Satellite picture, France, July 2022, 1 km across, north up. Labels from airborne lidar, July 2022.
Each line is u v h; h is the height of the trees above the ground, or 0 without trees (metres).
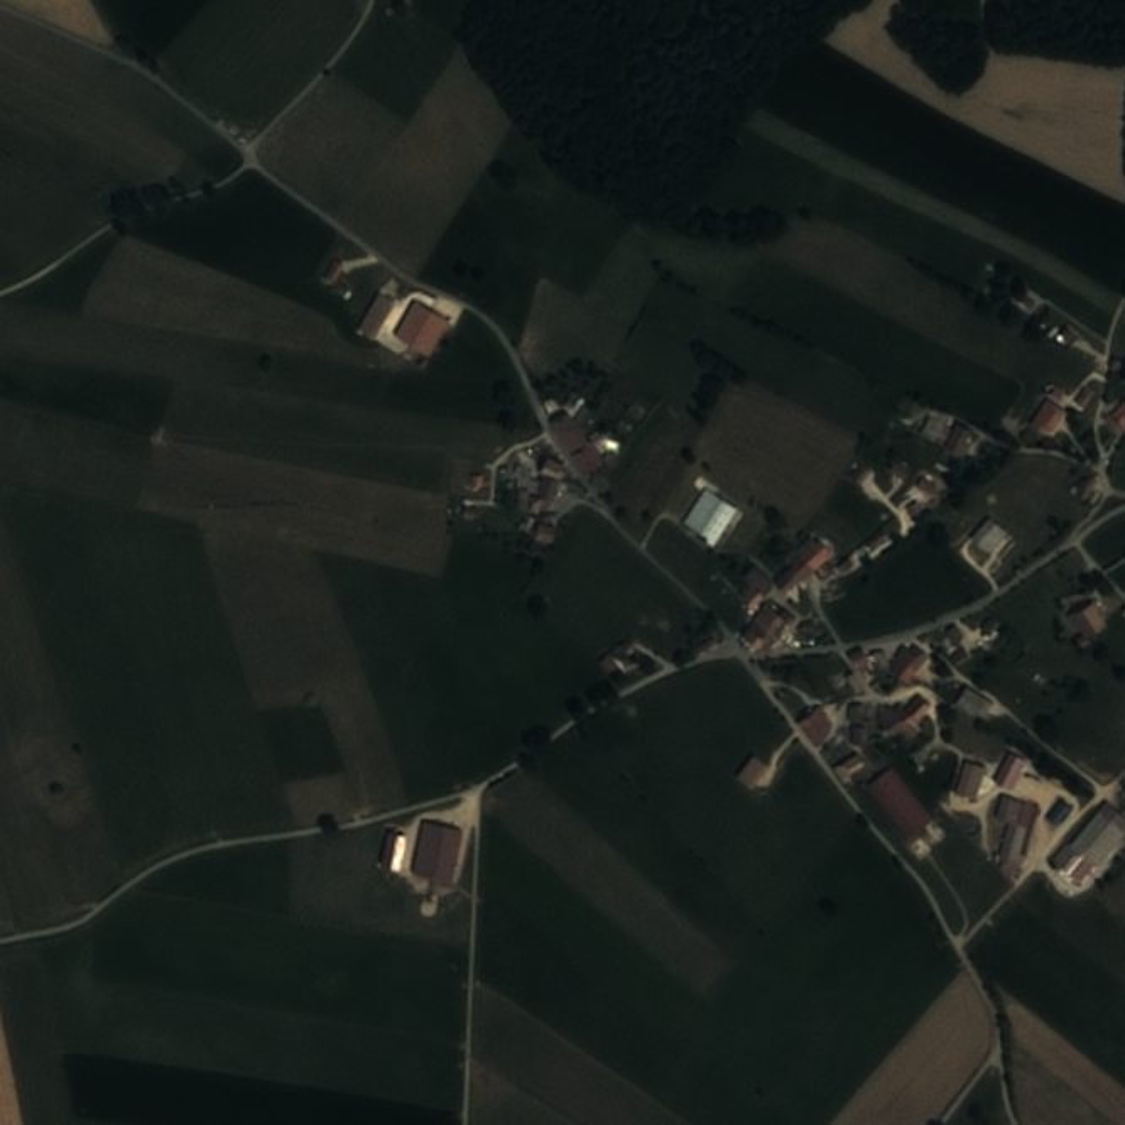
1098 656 10
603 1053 0
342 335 0
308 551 0
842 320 0
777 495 0
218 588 0
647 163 29
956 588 0
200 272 0
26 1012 0
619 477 0
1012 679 0
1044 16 24
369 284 0
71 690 0
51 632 0
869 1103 0
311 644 0
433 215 0
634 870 0
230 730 0
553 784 0
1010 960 0
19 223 0
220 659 0
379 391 0
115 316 0
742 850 0
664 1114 0
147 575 0
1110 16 19
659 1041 0
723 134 24
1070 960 0
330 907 0
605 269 0
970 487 7
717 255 0
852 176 0
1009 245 0
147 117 0
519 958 0
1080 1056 0
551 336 0
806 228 0
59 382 0
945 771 0
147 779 0
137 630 0
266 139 0
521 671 0
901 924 0
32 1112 0
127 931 0
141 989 0
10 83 0
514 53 27
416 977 0
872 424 0
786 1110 0
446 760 0
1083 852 0
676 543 0
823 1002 0
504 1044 0
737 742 0
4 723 0
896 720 0
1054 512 0
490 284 0
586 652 0
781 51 25
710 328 0
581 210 0
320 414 0
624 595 0
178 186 14
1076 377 0
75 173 0
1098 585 10
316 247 0
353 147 0
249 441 0
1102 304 0
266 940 0
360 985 0
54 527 0
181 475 0
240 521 0
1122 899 0
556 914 0
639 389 0
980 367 0
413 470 0
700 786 0
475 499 0
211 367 0
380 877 0
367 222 0
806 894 0
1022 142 0
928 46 28
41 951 0
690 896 0
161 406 0
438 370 0
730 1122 0
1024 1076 0
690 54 37
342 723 0
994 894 0
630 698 0
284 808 0
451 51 0
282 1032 0
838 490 0
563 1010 0
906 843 0
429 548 0
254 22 0
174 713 0
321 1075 0
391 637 0
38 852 0
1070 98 0
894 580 0
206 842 0
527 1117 0
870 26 0
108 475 0
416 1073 0
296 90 0
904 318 0
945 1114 0
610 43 31
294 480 0
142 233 0
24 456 0
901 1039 0
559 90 32
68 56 0
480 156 0
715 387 16
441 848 0
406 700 0
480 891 0
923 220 0
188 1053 0
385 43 0
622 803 0
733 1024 0
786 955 0
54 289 0
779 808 0
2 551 0
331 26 0
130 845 0
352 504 0
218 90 0
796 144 0
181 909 0
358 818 0
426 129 0
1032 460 0
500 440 0
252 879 0
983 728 9
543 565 12
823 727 0
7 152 0
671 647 0
